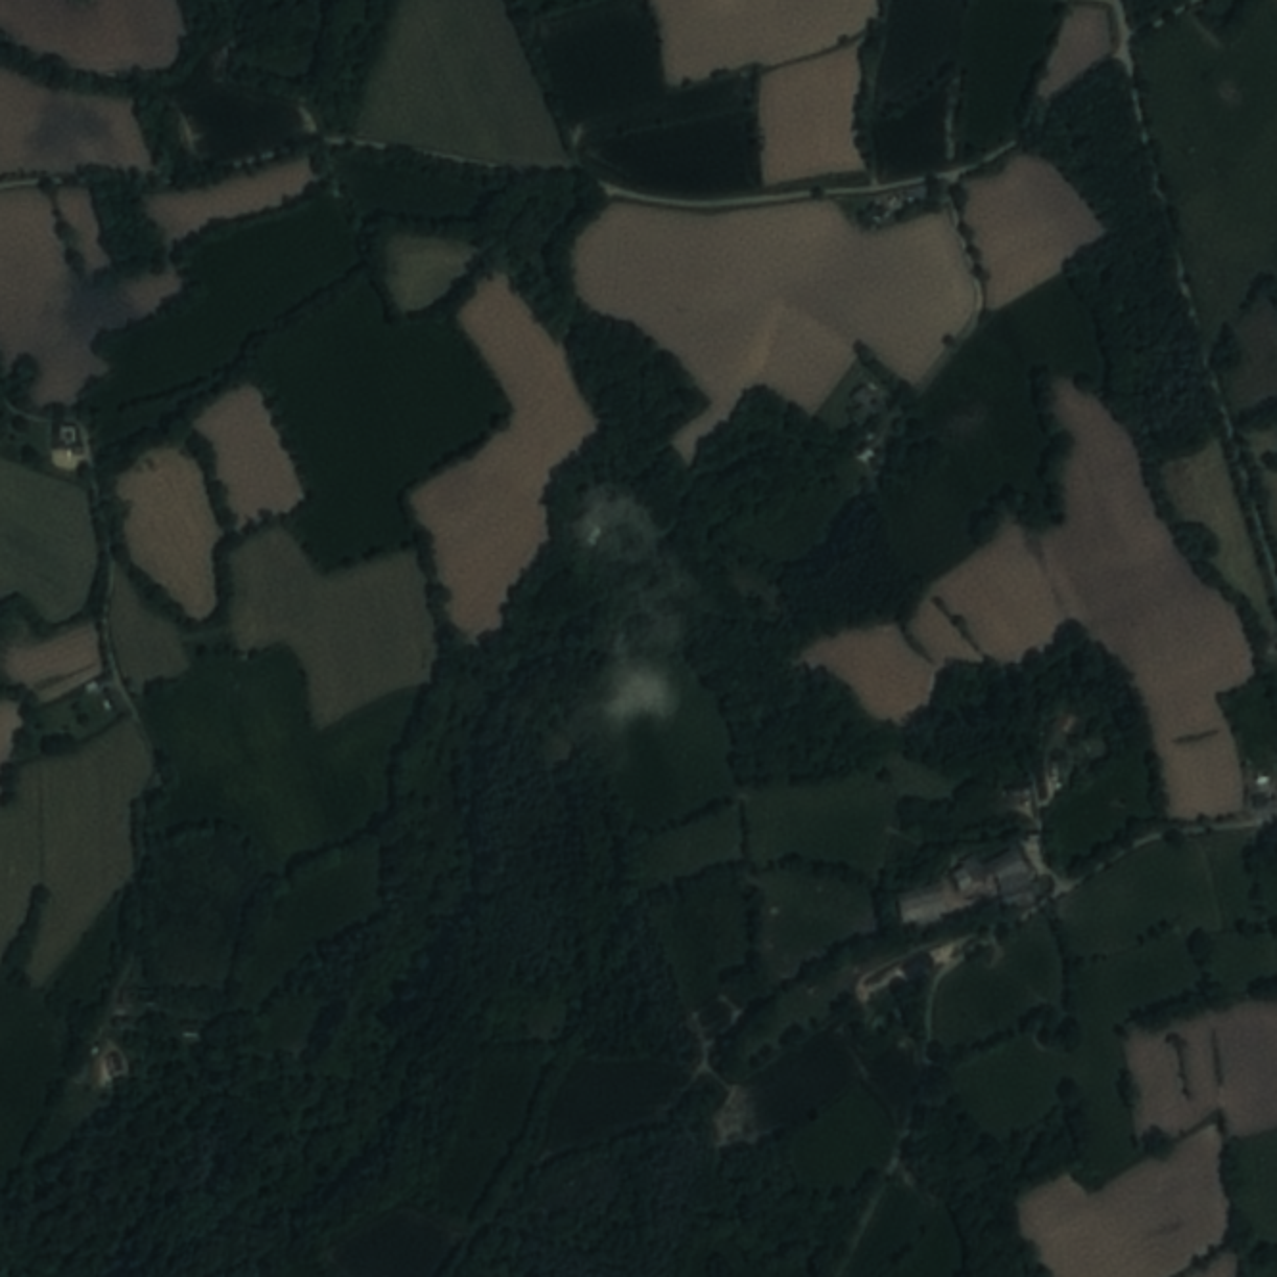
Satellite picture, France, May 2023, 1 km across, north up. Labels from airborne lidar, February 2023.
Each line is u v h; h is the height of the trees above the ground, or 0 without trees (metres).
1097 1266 0
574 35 0
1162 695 0
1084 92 13
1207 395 26
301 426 0
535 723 11
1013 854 0
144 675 0
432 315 12
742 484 20
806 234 0
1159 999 0
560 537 13
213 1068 16
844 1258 15
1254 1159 0
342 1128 20
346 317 0
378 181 0
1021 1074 0
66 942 0
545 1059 15
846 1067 0
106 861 0
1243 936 15
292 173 0
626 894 21
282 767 0
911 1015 16
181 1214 21
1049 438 11
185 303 13
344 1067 9
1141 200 13
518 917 25
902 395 15
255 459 0
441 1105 14
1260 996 16
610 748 0
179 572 0
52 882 0
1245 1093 0
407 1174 17
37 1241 16
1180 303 14
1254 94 0
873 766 14
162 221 0
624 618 14
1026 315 0
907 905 0
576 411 0
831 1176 0
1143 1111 0
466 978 25
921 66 0
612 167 0
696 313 0
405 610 0
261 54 10
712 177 0
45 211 0
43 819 0
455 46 0
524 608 7
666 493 13
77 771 0
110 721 0
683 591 15
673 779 0
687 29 0
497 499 0
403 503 9
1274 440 0
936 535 0
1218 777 0
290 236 0
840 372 0
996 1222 13
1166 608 0
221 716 0
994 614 0
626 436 10
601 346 21
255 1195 7
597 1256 13
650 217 0
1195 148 0
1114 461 0
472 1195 0
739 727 11
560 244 17
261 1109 15
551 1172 13
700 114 0
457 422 0
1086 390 14
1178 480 0
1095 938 0
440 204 0
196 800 0
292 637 0
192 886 0
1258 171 0
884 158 0
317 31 8
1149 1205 0
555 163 0
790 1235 13
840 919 0
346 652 0
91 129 0
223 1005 12
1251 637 14
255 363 13
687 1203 22
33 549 0
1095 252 12
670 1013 25
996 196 0
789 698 20
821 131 0
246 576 0
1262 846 13
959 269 0
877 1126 0
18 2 0
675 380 8
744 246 0
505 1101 0
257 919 11
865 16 0
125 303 0
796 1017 0
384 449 0
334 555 0
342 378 0
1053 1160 8
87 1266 14
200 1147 27
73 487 0
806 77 0
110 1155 17
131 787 0
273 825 0
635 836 24
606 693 0
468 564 0
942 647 0
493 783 27
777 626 10
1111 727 10
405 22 0
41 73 18
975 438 0
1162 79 0
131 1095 8
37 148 0
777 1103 0
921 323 0
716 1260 8
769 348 0
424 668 0
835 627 20
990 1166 8
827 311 0
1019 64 0
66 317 0
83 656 0
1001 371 0
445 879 7
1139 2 13
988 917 15
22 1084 0
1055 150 15
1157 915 0
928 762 17
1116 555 0
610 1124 0
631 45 0
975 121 0
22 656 0
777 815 0
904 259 0
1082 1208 0
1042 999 0
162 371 0
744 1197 16
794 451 9
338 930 0
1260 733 0
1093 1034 0
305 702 0
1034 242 0
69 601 0
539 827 21
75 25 0
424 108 0
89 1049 7
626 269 0
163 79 12
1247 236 0
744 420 8
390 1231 0
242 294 0
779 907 0
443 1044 22
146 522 0
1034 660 14
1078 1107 14
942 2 0
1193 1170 0
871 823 0
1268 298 16
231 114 0
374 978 18
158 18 0
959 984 0
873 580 36
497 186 11
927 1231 9
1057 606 0
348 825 0
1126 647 0
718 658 18
